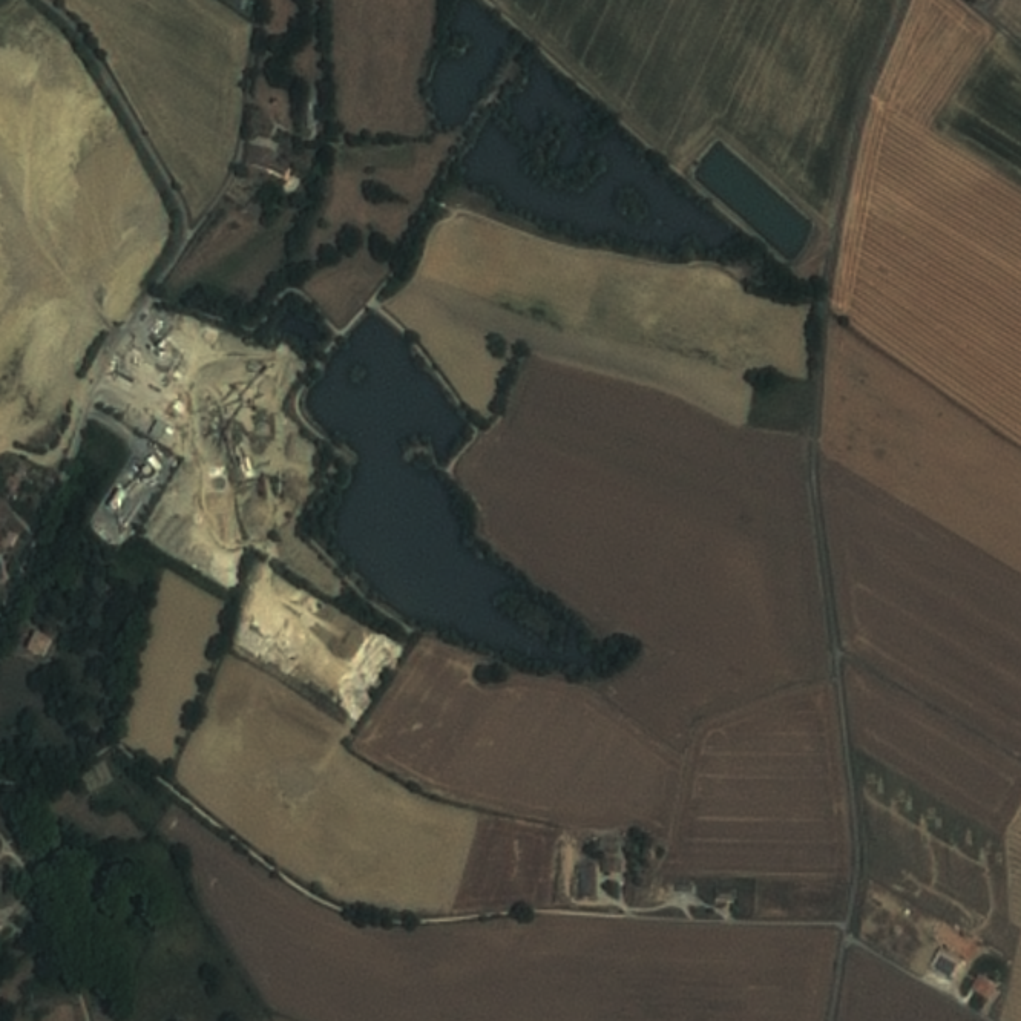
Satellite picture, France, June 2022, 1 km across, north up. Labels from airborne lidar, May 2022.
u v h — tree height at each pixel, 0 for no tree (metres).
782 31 0
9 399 0
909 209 0
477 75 0
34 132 0
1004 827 0
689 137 0
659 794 0
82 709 17
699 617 0
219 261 0
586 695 0
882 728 0
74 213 0
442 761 0
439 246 0
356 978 0
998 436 0
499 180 0
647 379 0
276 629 0
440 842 0
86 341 0
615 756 0
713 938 0
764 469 0
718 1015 0
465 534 6
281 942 0
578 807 0
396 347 0
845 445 0
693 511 0
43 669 17
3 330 0
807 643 0
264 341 17
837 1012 0
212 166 0
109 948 32
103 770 0
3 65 0
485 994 0
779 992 0
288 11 0
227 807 0
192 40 0
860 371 0
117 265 0
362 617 10
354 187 0
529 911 15
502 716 0
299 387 6
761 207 0
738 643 0
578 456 0
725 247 14
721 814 0
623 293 0
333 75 9
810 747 0
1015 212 0
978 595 0
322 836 0
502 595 6
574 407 0
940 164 0
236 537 0
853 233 0
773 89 0
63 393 0
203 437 0
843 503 0
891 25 0
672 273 0
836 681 0
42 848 34
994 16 0
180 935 0
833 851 0
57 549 22
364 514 0
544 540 0
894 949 0
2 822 0
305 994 0
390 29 0
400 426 0
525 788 0
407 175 0
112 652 18
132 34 0
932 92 0
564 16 0
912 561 0
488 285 0
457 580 0
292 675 0
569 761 0
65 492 21
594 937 0
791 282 13
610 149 0
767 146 0
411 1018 0
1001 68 0
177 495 0
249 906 0
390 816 0
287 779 0
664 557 0
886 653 0
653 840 0
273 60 12
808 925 0
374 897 0
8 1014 14
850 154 0
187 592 0
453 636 13
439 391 0
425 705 0
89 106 0
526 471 0
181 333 0
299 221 16
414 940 0
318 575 0
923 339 0
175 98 0
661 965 0
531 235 0
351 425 0
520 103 0
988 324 0
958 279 0
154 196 0
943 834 0
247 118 8
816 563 0
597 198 0
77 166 0
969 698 0
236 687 0
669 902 0
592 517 0
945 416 0
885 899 0
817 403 0
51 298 0
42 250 0
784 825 0
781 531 0
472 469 0
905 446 0
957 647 0
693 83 0
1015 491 0
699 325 0
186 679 0
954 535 0
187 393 0
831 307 0
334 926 0
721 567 0
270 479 7
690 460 0
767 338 0
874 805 0
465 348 0
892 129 0
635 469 0
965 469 0
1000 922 0
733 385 0
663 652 0
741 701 0
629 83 0
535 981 0
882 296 0
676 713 0
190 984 0
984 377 0
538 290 0
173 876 0
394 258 13
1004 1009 0
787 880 0
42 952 21
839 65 0
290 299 11
